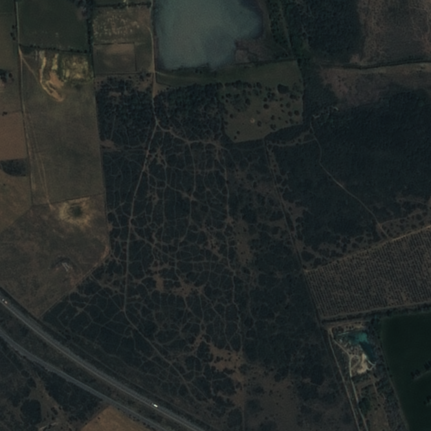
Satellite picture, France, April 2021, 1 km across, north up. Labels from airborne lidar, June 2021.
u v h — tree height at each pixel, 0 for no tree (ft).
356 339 0
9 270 0
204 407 0
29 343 0
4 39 0
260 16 0
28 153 0
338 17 19
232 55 0
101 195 0
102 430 0
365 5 0
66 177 0
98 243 0
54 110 0
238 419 0
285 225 0
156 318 0
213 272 0
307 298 0
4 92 0
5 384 0
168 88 23
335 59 0
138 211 0
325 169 0
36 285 0
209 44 0
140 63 0
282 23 0
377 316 24
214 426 0
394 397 45
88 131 0
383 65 20
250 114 0
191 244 0
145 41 0
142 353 0
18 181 0
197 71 26
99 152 0
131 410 0
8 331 0
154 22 0
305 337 0
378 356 32
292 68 0
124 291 0
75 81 0
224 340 0
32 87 0
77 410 0
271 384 0
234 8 0
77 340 0
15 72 0
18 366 0
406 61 22
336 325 0
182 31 0
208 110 28
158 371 0
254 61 0
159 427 0
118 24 0
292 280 20
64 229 0
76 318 0
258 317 0
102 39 0
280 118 18
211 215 0
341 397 0
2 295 0
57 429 0
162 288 0
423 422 0
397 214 0
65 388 0
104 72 0
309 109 20
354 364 0
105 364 0
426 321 0
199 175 0
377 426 0
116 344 0
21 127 0
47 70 0
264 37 0
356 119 22
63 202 0
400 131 20
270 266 0
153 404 0
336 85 0
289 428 0
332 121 20
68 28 0
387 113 23
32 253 0
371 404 41
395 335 0
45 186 0
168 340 0
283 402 0
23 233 0
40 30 0
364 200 0
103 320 0
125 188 0
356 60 0
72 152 0
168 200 0
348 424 0
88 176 0
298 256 0
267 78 0
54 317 0
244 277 0
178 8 0
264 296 0
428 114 28
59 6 0
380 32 0
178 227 0
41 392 0
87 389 0
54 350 0
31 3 0
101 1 0
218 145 0
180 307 0
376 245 0
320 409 0
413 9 0
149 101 22
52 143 0
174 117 17
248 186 0
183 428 0
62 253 0
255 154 0
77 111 0
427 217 0
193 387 0
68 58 0
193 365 0
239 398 0
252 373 0
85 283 0
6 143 0
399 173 18
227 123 19
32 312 0
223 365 0
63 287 0
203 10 0
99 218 0
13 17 0
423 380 0
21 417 0
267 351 0
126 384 0
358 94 0
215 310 0
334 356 0
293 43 41
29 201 0
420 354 0
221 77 0
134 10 0
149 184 0
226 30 0
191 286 0
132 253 0
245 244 0
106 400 0
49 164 0
